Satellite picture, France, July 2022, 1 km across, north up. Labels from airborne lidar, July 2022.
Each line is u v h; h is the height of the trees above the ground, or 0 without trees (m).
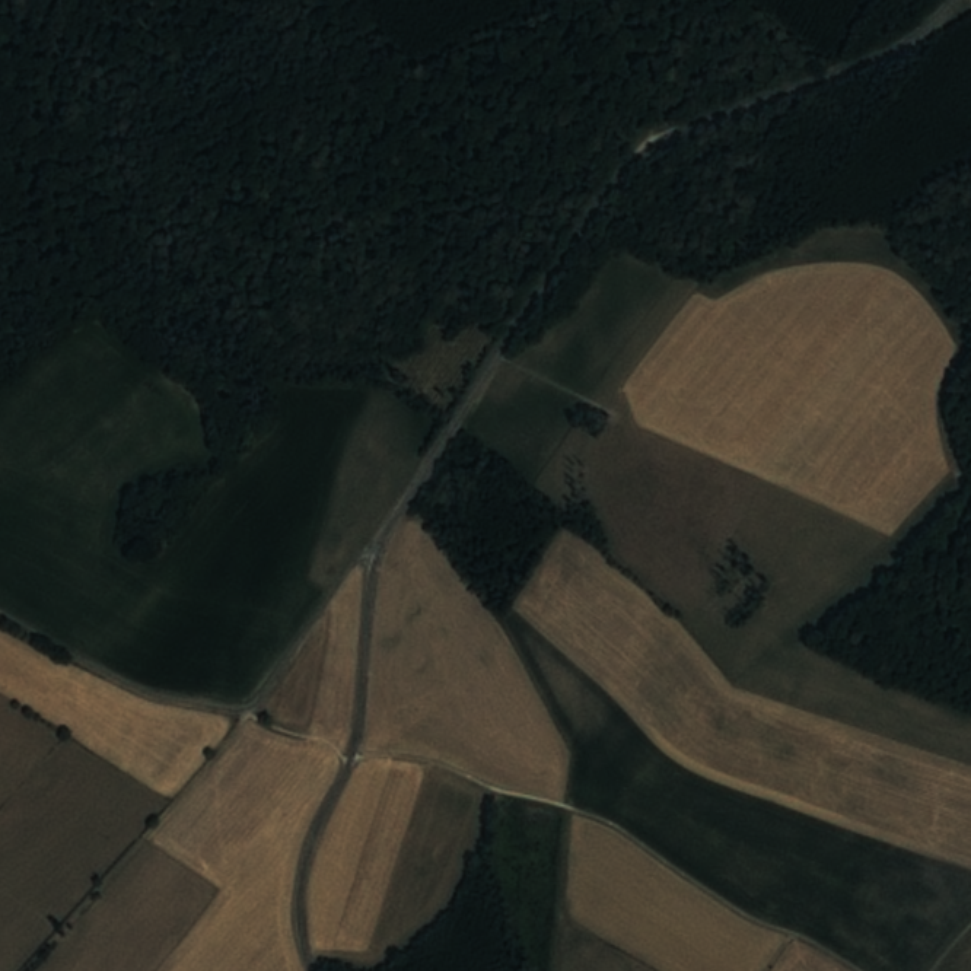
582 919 0
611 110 26
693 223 24
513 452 0
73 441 0
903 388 0
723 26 21
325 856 0
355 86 29
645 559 0
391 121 29
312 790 0
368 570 0
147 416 0
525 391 0
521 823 0
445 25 13
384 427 0
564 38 9
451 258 24
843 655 22
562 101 27
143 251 28
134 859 0
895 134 10
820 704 0
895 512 0
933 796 0
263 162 19
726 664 0
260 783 0
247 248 24
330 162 20
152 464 0
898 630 27
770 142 25
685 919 0
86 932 0
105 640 0
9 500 0
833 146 21
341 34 25
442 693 0
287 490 0
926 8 18
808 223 20
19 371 21
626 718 0
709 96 18
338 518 0
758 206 18
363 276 25
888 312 0
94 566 0
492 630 0
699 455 0
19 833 0
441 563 0
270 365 23
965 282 23
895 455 0
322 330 25
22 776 0
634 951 0
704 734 0
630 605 0
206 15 28
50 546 0
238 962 0
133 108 24
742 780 0
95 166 28
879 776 0
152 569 0
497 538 20
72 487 0
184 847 0
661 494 0
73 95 29
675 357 0
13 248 25
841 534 0
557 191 30
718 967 0
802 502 0
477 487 24
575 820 0
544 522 9
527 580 23
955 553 22
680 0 22
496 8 13
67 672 0
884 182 8
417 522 0
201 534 0
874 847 0
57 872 0
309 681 0
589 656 0
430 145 24
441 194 27
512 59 24
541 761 0
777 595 0
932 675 27
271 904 0
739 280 0
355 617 0
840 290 0
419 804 0
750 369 0
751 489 0
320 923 0
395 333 25
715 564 0
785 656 0
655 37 25
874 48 18
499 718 0
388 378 8
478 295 25
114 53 27
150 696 0
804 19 6
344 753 0
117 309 26
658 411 0
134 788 0
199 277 23
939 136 9
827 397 0
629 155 23
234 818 0
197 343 29
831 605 0
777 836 0
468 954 9
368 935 0
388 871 0
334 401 0
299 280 25
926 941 0
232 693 0
